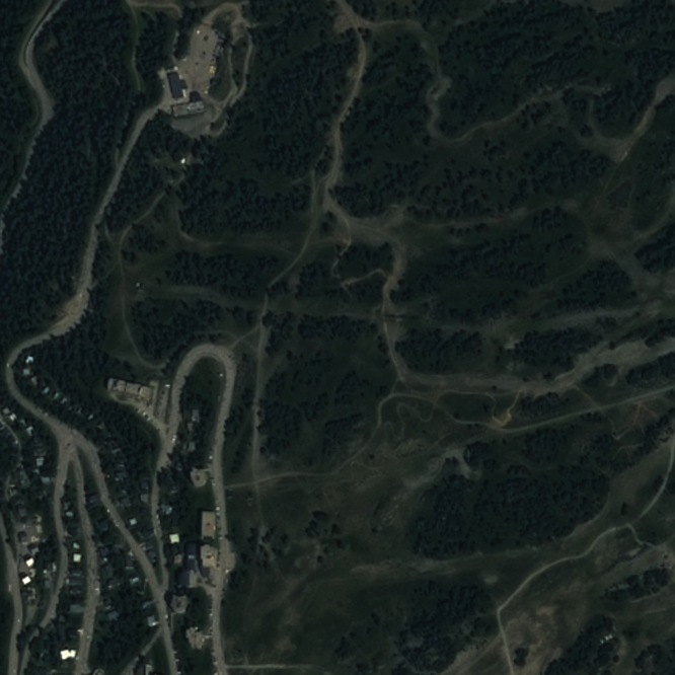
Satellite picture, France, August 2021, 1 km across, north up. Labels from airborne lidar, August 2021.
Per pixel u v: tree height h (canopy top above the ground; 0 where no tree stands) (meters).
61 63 19
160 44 11
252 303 0
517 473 8
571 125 0
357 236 0
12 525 6
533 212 0
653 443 9
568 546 0
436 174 0
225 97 0
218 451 0
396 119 12
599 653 9
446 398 0
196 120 0
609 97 11
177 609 0
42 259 15
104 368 12
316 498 0
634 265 0
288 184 0
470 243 0
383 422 0
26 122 6
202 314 11
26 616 0
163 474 14
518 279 10
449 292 0
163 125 8
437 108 0
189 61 0
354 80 0
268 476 0
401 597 0
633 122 11
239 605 0
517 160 0
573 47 12
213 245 0
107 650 22
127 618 22
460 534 9
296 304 0
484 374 0
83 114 23
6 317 10
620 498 0
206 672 0
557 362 7
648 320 0
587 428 0
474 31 8
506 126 0
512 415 0
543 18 10
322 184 0
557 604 0
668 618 0
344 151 0
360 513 0
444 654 8
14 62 8
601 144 0
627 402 0
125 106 13
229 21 0
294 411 8
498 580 0
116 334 0
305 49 0
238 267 7
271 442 10
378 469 0
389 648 0
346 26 0
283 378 8
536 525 9
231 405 0
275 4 17
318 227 0
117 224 12
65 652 0
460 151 0
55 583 0
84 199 18
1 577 0
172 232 0
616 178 0
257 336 0
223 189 0
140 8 0
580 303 7
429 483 0
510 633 0
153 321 0
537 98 0
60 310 0
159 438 0
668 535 0
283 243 0
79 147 22
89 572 0
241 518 0
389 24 0
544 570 0
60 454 0
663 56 11
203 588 0
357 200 9
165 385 0
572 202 0
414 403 0
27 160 0
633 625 0
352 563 0
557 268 0
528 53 9
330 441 6
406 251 0
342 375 0
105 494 0
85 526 0
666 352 0
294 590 0
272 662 0
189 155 0
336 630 0
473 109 11
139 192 13
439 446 0
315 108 13
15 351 0
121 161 0
